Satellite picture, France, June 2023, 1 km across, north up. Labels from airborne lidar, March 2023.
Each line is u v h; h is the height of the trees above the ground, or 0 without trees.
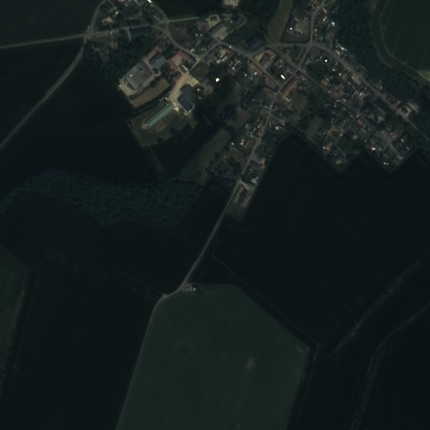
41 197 0
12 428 0
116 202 22
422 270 0
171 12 0
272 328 0
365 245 0
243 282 0
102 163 0
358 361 0
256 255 0
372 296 0
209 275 0
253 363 0
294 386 0
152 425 0
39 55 0
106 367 0
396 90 18
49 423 0
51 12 0
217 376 0
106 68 12
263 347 0
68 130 0
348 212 0
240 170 12
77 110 0
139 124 0
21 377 0
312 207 0
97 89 0
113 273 0
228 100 0
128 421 0
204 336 0
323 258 0
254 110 0
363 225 0
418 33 0
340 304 0
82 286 0
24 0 0
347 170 0
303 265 0
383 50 0
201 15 16
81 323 0
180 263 0
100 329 0
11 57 0
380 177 0
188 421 0
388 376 0
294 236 0
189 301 0
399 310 0
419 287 0
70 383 0
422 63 0
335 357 0
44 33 0
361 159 0
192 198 17
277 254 0
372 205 0
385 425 0
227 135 0
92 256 0
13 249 0
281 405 0
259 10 0
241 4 0
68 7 0
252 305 0
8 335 0
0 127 0
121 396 0
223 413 0
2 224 0
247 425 0
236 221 0
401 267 0
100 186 23
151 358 0
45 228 0
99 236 0
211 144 0
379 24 0
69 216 0
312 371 0
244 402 0
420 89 0
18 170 0
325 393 0
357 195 0
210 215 0
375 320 0
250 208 0
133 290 0
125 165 0
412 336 0
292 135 0
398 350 0
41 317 0
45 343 0
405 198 0
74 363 0
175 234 0
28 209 0
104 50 0
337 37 6
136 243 0
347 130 0
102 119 0
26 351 0
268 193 0
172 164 0
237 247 0
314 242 0
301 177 0
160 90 0
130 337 0
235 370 0
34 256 0
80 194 20
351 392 0
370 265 0
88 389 0
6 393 0
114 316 0
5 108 0
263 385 0
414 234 0
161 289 0
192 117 0
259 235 0
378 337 0
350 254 0
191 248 0
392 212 0
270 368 0
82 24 0
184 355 0
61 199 0
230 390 0
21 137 0
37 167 0
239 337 0
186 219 0
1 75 0
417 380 0
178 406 0
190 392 0
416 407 0
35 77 0
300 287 0
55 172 26
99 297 0
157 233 0
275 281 0
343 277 0
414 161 0
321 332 0
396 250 0
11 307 0
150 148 0
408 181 0
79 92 0
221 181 12
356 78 0
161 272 0
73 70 0
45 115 0
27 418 0
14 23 0
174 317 0
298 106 0
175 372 0
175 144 0
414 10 0
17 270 0
